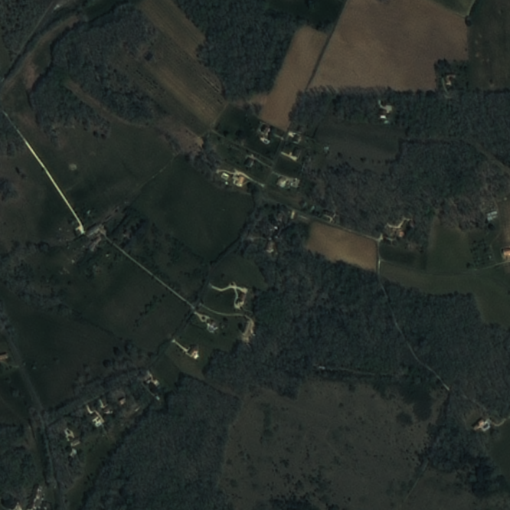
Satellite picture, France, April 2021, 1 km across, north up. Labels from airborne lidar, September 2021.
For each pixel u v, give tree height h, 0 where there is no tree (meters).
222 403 16
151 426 18
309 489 0
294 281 11
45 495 0
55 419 18
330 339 17
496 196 17
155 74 0
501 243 0
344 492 0
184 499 19
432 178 25
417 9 0
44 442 18
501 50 0
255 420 0
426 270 0
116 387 20
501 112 22
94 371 0
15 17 5
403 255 0
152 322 0
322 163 0
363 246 0
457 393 21
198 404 20
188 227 0
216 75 18
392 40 0
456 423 17
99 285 0
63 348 0
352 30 0
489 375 22
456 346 19
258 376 12
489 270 0
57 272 0
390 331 15
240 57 23
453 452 14
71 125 14
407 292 14
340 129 0
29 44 8
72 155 0
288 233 15
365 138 0
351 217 20
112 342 0
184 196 0
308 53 0
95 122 17
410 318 17
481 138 17
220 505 22
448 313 22
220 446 15
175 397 20
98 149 0
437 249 0
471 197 23
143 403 19
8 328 10
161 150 0
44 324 0
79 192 0
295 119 21
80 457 18
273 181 0
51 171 0
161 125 0
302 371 9
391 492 0
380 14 0
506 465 0
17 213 0
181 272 0
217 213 0
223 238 0
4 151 15
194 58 0
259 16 22
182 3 22
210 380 20
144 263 6
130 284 0
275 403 0
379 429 0
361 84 0
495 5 0
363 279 20
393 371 20
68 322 0
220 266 0
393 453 0
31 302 13
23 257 18
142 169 0
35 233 0
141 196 0
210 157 16
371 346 21
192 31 0
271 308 20
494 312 0
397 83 0
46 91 20
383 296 16
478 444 22
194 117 0
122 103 16
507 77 0
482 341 19
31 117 0
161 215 0
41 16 12
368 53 0
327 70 0
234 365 17
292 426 0
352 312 20
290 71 0
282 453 0
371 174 13
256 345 17
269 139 8
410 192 20
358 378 7
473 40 0
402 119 13
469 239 0
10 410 0
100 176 0
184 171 0
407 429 0
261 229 11
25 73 0
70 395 0
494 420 19
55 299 14
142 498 18
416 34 0
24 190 0
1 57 0
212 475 16
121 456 21
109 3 0
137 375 15
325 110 21
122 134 0
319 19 0
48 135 16
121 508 19
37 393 0
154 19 0
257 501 0
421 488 0
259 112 18
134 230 6
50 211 0
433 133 21
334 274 16
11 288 15
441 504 0
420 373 13
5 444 21
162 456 16
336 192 20
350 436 0
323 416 0
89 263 11
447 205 23
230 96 20
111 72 10
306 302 11
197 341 0
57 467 15
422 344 21
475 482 15
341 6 0
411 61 0
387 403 0
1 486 20
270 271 16
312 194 14
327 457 0
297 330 12
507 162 18
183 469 17
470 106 18
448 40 0
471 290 0
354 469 0
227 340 0
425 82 0
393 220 13
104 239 12
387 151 0
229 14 21
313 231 0
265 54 24
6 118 15
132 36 21
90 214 7
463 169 18
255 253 12
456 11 0
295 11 0
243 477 0
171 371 0
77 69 15
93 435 19
